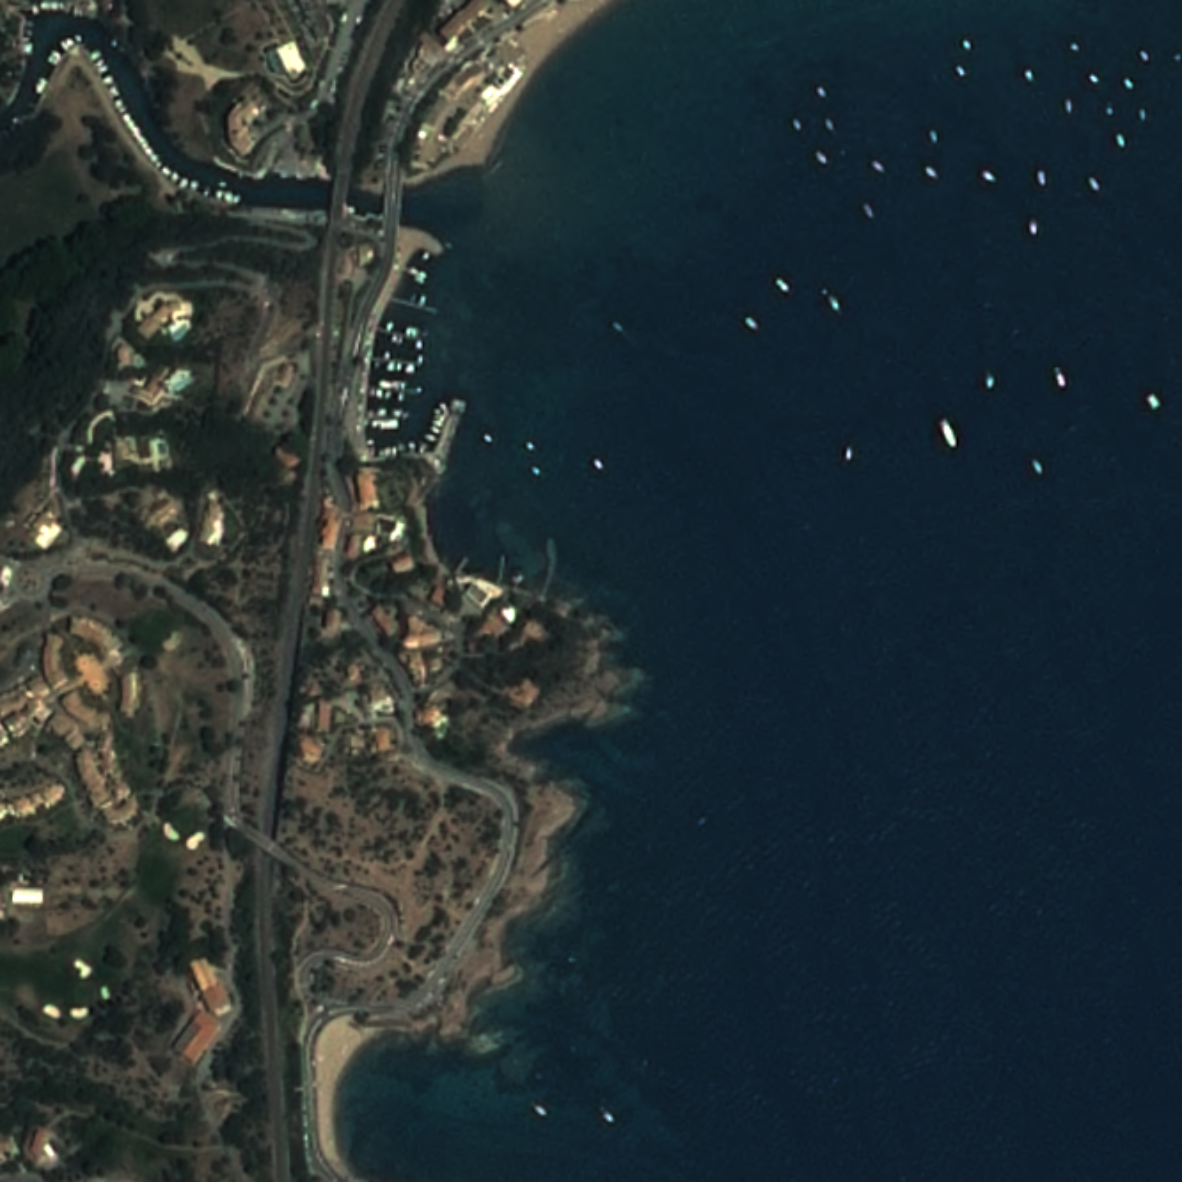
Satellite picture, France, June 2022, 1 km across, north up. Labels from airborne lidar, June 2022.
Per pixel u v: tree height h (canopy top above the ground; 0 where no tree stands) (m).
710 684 0
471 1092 0
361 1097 0
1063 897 0
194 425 8
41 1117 8
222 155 0
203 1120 0
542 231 0
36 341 9
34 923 0
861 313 0
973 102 0
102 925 0
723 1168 0
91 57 0
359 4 0
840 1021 0
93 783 0
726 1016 0
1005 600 0
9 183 0
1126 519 0
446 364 0
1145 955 0
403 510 7
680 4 0
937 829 0
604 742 0
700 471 0
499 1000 0
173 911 6
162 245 8
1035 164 0
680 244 0
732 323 0
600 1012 0
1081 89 0
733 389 0
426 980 0
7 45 9
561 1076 0
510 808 0
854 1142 0
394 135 0
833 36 0
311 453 12
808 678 0
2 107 8
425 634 0
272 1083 0
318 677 6
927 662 0
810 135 0
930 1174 0
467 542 0
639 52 0
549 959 0
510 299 0
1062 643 0
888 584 0
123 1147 0
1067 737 0
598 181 0
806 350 0
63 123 7
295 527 6
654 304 0
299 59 0
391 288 0
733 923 0
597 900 0
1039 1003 0
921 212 0
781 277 0
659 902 0
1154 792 0
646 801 0
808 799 0
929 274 0
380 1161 0
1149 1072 0
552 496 0
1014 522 0
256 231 6
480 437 0
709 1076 0
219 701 0
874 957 0
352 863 0
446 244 0
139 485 6
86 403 9
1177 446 0
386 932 0
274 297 0
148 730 0
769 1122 0
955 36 0
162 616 0
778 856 0
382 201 0
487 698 13
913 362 0
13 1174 6
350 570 8
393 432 0
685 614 0
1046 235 0
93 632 0
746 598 0
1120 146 0
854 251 0
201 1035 0
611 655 0
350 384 0
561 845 0
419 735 8
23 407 10
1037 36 0
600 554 0
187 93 0
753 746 0
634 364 0
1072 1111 0
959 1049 0
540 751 0
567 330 0
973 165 0
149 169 0
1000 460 0
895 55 0
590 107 0
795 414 0
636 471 0
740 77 0
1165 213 0
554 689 11
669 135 0
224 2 0
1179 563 0
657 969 0
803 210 0
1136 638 0
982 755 0
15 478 8
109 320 5
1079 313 0
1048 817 0
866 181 0
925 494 0
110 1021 10
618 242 0
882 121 0
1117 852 0
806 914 0
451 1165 0
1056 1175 0
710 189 0
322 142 8
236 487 7
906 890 0
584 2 0
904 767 0
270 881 0
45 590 0
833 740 0
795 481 0
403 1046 0
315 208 0
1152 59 0
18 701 0
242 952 8
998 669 0
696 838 0
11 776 11
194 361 7
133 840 0
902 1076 0
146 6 11
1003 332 0
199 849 0
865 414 0
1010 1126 0
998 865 0
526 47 0
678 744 0
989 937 0
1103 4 0
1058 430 0
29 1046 9
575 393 0
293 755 7
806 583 0
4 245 0
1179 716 0
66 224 0
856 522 0
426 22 6
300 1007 12
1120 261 0
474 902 0
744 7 0
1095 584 0
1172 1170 0
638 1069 0
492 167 0
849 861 0
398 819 0
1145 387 0
